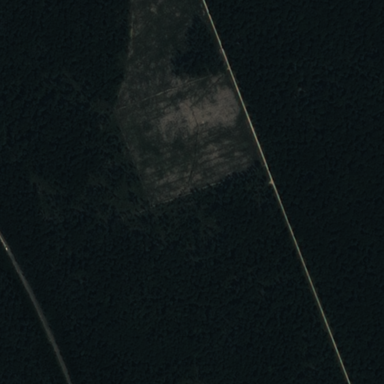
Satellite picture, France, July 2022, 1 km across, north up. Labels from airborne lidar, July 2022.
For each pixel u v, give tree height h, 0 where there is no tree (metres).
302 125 29
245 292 26
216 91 0
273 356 26
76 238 25
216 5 24
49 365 11
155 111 0
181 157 0
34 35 24
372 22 29
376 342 26
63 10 26
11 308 28
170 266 26
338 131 30
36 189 24
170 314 25
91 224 25
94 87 27
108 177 26
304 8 26
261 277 26
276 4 20
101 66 28
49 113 28
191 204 26
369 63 28
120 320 21
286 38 26
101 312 26
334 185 30
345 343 21
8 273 12
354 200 27
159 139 0
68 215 24
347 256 30
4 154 28
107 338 25
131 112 0
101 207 24
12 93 32
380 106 26
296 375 21
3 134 32
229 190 30
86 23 27
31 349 25
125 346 24
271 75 26
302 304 24
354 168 31
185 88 0
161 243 28
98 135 23
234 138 0
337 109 30
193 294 30
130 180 26
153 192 0
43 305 17
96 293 27
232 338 27
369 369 23
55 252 25
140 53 0
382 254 23
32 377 25
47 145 26
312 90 19
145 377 26
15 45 27
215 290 29
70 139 26
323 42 25
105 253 29
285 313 26
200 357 21
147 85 0
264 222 30
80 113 28
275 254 26
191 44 24
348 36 24
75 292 26
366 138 30
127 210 0
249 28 25
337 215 27
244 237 27
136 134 0
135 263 25
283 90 27
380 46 29
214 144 0
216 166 0
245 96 23
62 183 27
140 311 24
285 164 24
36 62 27
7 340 27
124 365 25
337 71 28
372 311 21
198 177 0
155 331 26
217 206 24
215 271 28
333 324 18
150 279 27
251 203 28
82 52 25
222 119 0
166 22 0
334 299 31
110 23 29
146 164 0
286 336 25
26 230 26
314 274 25
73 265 25
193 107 0
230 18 25
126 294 22
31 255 21
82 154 27
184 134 0
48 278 25
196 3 0
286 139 19
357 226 29
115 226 28
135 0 0
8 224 20
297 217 25
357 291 29
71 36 26
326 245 30
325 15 29
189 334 10
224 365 26
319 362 27
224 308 25
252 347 27
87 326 27
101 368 28
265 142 20
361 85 24
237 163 0
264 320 30
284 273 25
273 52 22
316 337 22
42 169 26
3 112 36
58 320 21
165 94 0
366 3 28
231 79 0
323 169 27
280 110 29
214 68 26
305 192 25
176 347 25
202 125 0
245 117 0
